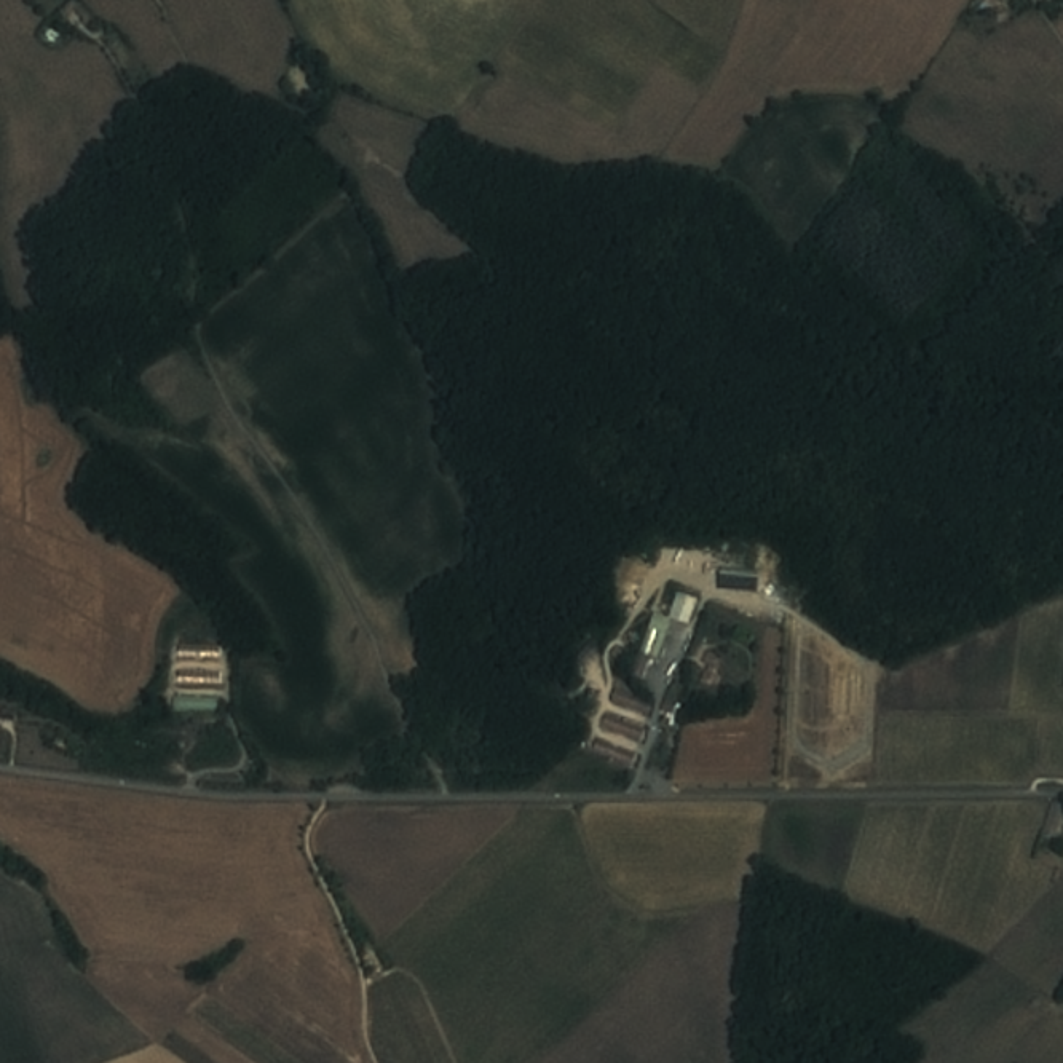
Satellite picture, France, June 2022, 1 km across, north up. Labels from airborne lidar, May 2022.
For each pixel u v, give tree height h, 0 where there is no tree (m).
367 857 0
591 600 18
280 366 0
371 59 0
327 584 0
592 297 27
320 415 0
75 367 8
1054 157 0
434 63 0
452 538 0
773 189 0
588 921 0
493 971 0
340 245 0
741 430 19
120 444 8
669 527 18
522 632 14
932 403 11
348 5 0
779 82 0
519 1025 0
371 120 0
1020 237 15
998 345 22
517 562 26
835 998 5
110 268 15
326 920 0
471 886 0
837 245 14
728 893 0
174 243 15
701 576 0
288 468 0
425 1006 0
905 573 24
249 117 23
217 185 21
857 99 0
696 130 0
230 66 0
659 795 0
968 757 0
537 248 26
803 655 0
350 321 0
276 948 0
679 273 19
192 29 0
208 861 0
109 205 22
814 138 0
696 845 0
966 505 24
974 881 0
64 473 0
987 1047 0
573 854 0
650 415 19
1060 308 18
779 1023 20
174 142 23
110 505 9
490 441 26
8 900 0
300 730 0
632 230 19
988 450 22
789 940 14
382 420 0
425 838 0
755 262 17
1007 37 0
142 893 0
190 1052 0
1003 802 0
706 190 24
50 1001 0
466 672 18
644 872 0
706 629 5
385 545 0
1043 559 14
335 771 0
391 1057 0
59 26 9
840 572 15
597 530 23
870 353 26
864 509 18
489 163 22
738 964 17
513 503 24
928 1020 0
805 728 0
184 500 8
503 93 0
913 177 9
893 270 12
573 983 0
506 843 0
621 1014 0
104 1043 0
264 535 0
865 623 22
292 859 0
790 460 19
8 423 0
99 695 0
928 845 0
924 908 0
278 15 0
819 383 22
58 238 21
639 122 0
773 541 7
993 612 17
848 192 10
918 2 0
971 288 7
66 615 0
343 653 0
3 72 0
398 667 0
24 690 20
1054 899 0
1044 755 0
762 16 0
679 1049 0
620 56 0
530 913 0
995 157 0
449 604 19
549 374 24
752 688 9
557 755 15
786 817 0
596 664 0
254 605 14
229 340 0
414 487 0
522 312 23
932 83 0
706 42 0
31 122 0
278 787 10
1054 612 0
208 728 6
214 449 0
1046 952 0
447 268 17
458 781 7
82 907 0
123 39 7
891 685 0
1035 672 0
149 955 0
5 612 0
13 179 0
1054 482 20
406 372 0
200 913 0
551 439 20
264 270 14
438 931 0
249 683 0
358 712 0
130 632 0
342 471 0
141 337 7
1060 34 0
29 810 0
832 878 0
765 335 23
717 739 0
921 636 17
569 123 0
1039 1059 0
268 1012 0
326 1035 0
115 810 0
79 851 0
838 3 0
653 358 26
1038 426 23
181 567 10
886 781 0
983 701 0
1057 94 0
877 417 24
